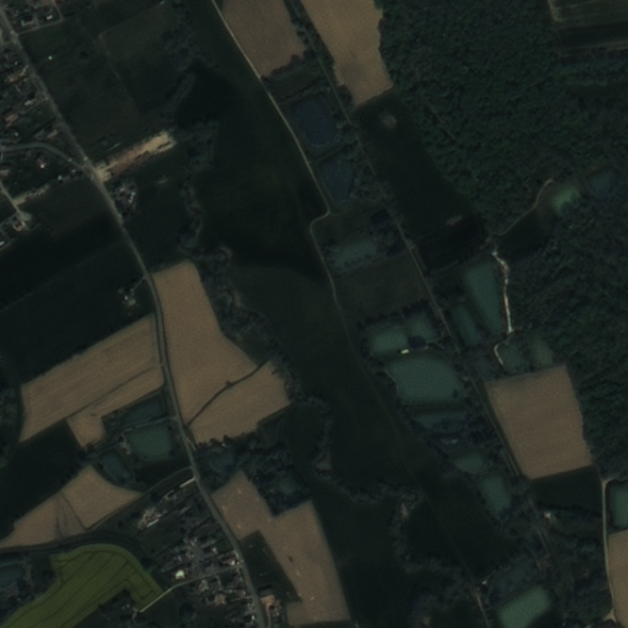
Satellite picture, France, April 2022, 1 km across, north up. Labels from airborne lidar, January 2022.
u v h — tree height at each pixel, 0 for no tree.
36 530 0
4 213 0
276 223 0
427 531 0
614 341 22
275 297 0
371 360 21
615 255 32
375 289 0
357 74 0
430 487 0
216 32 0
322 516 0
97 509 0
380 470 0
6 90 9
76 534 0
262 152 0
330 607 0
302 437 0
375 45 0
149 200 0
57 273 0
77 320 0
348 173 0
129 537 0
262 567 0
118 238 0
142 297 0
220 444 15
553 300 17
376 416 0
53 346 0
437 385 0
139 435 0
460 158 16
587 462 0
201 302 0
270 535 0
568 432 0
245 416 0
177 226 0
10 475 0
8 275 0
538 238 0
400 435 0
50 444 0
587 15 0
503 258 19
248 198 0
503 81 20
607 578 16
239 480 0
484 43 18
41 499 0
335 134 0
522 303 5
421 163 0
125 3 0
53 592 0
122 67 0
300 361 0
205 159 14
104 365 0
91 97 0
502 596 19
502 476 0
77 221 0
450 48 21
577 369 25
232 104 0
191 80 16
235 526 0
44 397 0
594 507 0
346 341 0
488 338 14
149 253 0
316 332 0
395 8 23
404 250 15
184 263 0
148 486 0
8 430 0
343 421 0
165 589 0
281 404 0
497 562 0
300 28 9
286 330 0
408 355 0
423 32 16
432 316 21
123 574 0
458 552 0
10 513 0
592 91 0
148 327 0
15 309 0
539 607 0
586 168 24
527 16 21
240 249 0
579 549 10
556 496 0
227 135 0
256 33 0
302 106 0
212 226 0
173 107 12
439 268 0
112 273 0
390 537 0
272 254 0
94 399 0
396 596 0
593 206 21
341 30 0
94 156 0
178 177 0
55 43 0
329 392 0
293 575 0
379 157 0
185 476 0
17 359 0
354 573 0
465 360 17
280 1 0
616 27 0
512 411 0
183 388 0
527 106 20
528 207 17
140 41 0
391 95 0
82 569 0
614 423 17
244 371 0
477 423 22
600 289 31
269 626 0
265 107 0
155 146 0
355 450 0
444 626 0
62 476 0
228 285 8
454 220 0
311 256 0
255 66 0
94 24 0
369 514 0
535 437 0
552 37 10
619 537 0
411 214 0
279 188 0
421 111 22
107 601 0
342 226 0
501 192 6
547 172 0
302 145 0
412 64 25
